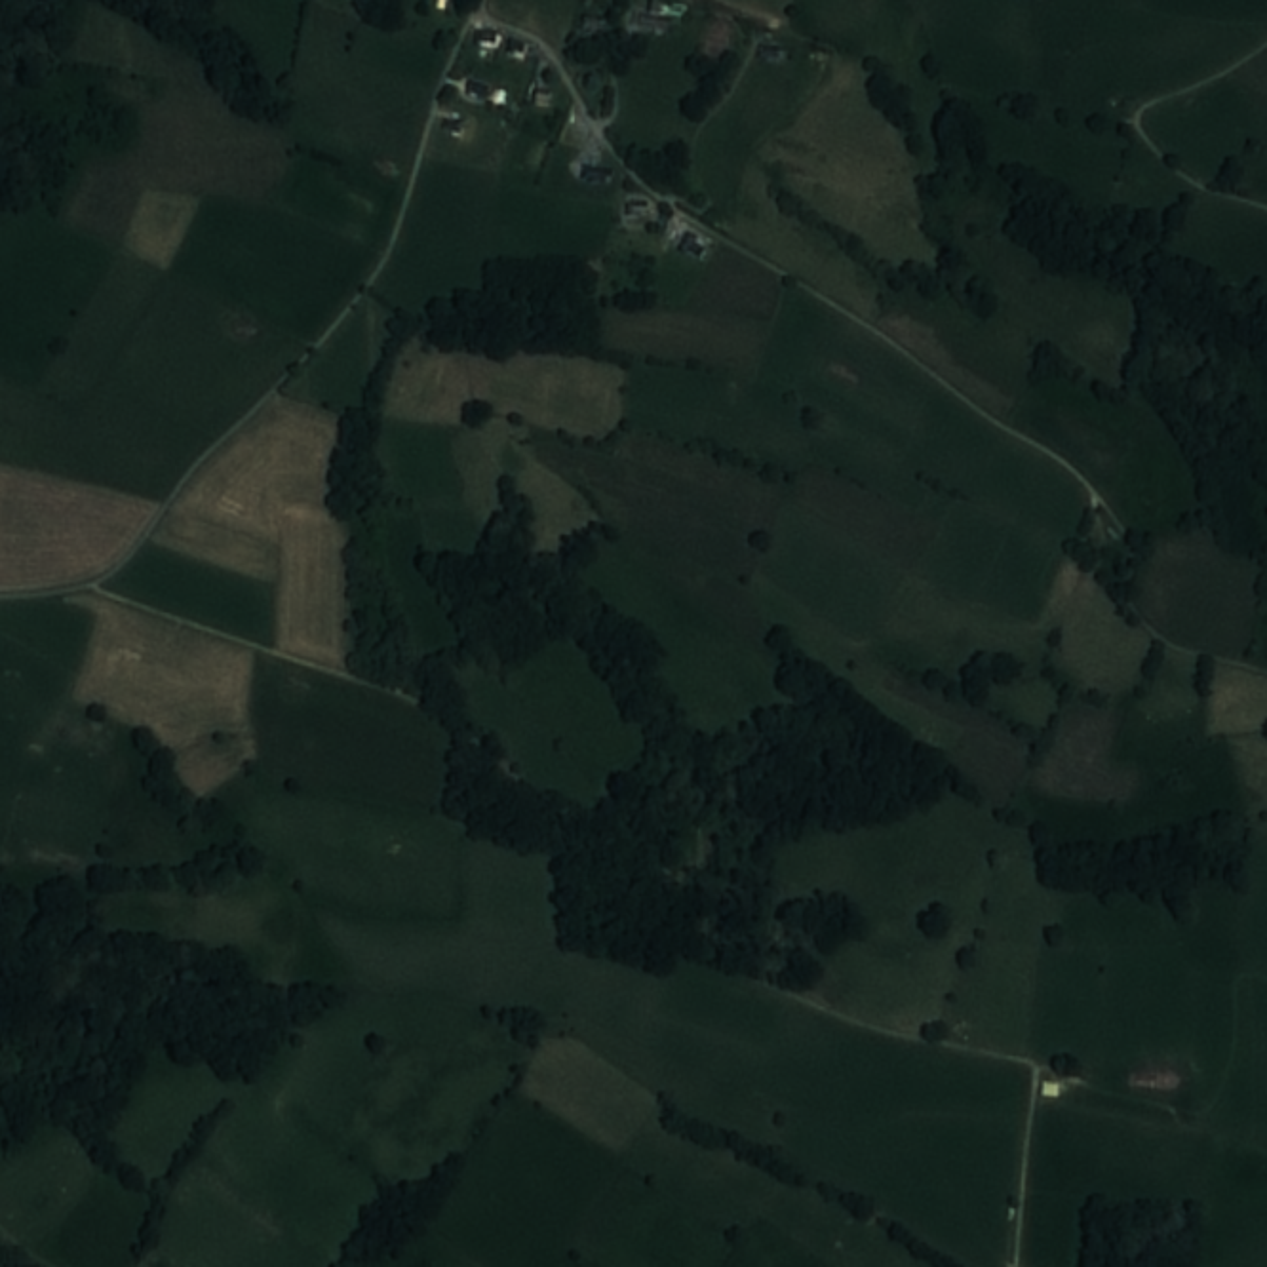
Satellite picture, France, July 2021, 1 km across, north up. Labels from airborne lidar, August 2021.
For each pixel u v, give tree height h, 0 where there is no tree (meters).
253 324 0
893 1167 0
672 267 0
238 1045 23
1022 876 0
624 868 24
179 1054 28
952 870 0
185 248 0
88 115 5
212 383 0
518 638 21
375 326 0
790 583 0
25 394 0
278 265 0
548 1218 0
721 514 0
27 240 0
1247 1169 0
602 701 0
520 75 0
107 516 0
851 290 0
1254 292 20
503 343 25
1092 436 0
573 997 0
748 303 0
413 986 0
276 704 0
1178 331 22
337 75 0
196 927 0
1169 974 0
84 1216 0
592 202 0
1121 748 0
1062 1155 0
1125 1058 0
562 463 0
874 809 24
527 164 0
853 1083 0
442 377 0
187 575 0
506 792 18
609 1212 0
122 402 0
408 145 0
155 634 0
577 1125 0
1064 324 0
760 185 0
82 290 0
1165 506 0
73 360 0
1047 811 0
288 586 0
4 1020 23
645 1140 0
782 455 0
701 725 0
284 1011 27
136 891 10
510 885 0
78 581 0
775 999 0
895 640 0
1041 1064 0
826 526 0
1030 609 0
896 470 0
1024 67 0
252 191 0
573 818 17
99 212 0
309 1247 0
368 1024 0
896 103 19
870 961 0
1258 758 0
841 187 0
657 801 25
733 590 0
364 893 0
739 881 24
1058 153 0
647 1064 0
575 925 24
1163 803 0
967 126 24
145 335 0
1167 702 0
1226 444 21
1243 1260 0
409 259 0
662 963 21
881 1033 0
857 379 0
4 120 6
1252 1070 0
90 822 0
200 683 0
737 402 0
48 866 0
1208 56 0
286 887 0
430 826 0
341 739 0
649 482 0
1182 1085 0
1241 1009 0
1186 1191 0
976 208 0
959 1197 0
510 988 0
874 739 22
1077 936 0
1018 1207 10
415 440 0
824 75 0
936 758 22
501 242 0
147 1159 0
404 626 15
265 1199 0
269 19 0
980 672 20
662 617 0
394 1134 0
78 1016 36
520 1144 0
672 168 18
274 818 0
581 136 0
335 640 0
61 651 0
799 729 27
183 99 0
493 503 0
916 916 0
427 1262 0
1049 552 0
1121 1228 28
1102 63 0
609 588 0
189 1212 0
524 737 0
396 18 23
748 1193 0
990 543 0
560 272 14
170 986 23
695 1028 0
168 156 0
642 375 0
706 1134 22
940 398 0
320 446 0
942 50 0
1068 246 29
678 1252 0
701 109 21
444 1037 0
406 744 0
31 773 0
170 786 22
